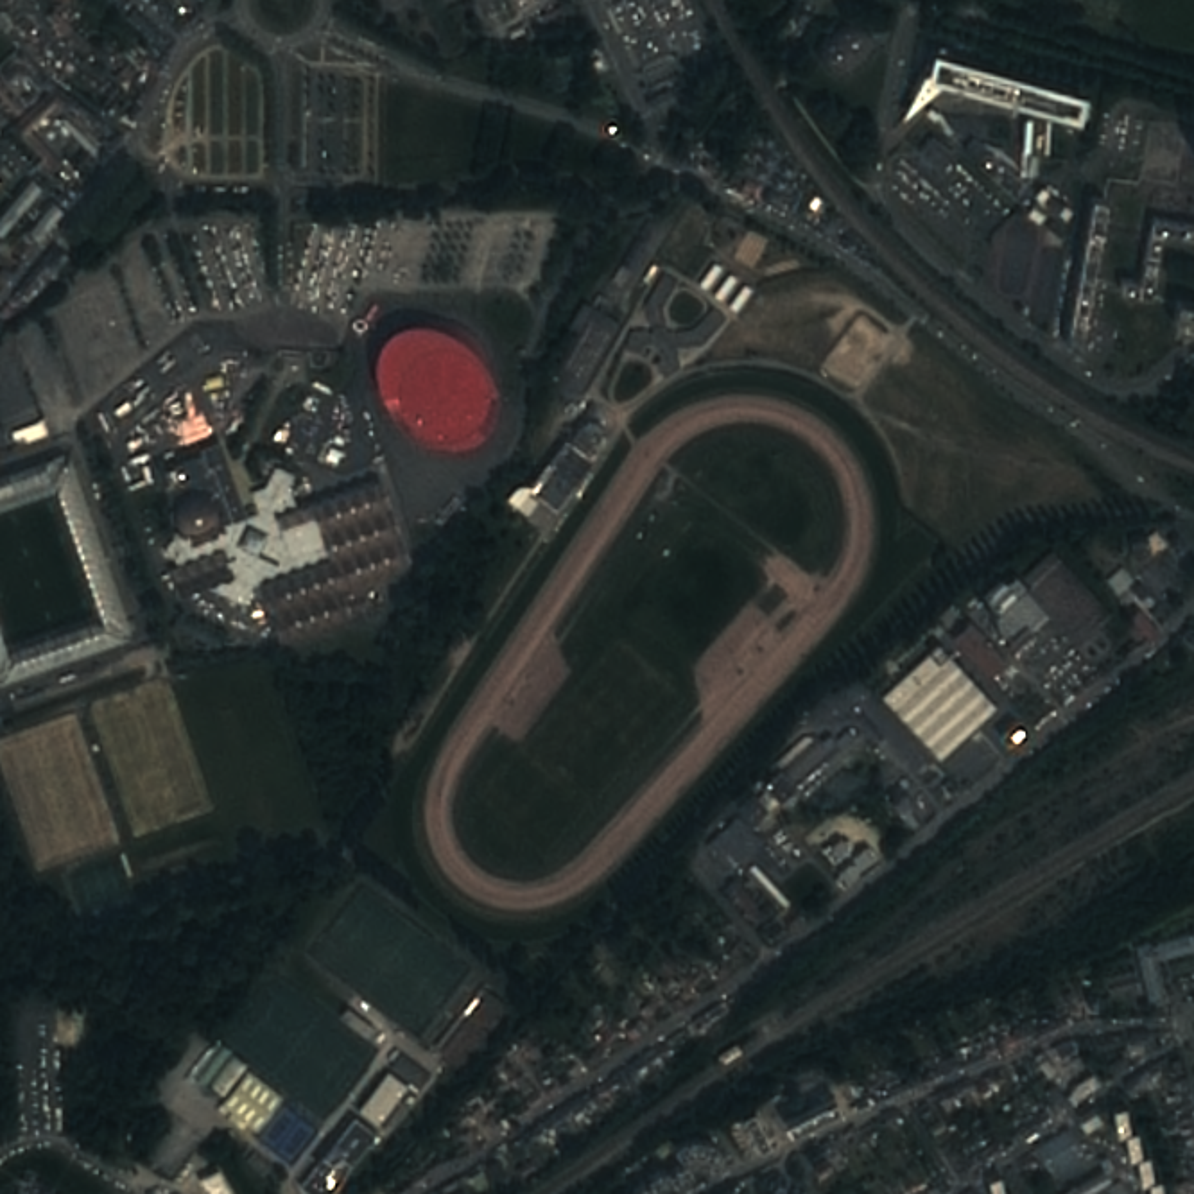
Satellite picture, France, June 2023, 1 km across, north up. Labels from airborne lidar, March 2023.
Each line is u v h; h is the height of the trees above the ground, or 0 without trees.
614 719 0
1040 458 0
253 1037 0
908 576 0
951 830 8
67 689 0
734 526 0
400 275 0
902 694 0
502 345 0
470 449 0
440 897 0
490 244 0
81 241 15
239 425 7
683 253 0
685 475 0
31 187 0
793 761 0
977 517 0
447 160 0
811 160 0
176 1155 0
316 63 0
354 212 20
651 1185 0
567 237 12
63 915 14
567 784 0
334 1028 0
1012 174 0
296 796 0
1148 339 0
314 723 7
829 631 0
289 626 0
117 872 0
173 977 33
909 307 0
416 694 10
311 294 0
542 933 0
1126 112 0
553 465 0
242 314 0
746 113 10
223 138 0
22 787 0
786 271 0
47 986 22
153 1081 19
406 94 0
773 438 0
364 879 0
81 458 0
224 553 0
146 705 0
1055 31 18
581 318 0
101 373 0
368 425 0
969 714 0
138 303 0
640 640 0
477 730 0
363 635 0
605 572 0
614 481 0
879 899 8
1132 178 0
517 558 0
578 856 0
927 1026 9
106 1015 12
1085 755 6
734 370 0
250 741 0
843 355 0
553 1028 0
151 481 0
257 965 17
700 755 0
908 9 0
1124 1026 0
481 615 14
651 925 6
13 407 0
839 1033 12
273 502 0
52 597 0
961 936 0
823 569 0
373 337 0
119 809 0
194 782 0
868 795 7
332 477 0
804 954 16
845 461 0
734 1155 0
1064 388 0
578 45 19
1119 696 9
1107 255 0
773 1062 12
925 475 0
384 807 0
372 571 0
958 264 0
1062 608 0
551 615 0
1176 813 0
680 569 0
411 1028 0
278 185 0
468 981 0
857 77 0
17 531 0
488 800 0
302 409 0
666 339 0
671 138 12
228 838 0
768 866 0
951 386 0
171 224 0
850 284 0
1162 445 0
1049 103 0
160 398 0
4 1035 12
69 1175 0
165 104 0
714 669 0
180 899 25
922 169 0
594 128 0
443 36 17
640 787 0
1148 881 13
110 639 17
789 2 17
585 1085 0
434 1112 16
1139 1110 8
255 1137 0
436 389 0
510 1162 0
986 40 17
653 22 0
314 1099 0
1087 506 0
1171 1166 10
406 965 0
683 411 0
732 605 0
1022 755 0
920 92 0
